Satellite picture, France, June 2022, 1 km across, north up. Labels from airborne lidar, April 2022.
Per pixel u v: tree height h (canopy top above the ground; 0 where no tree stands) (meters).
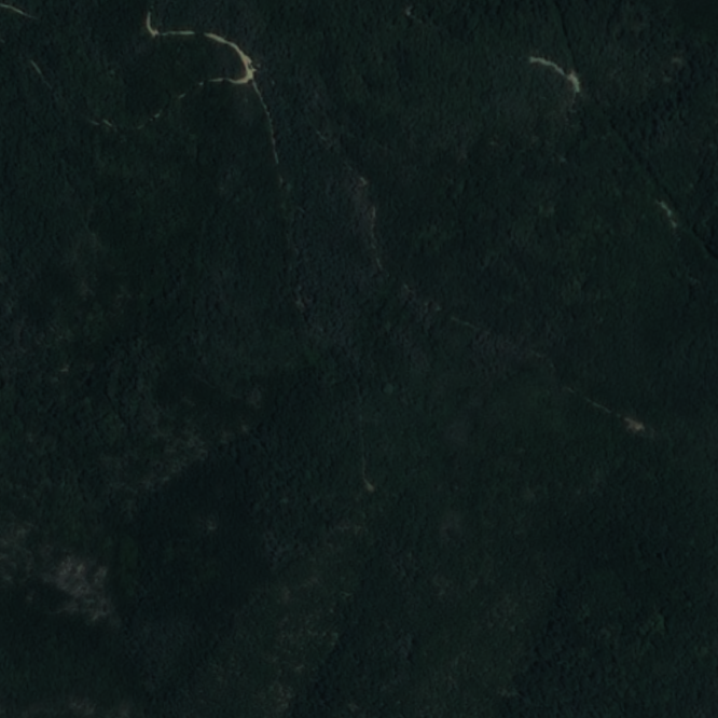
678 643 7
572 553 14
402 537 11
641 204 13
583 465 12
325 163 12
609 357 13
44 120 13
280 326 7
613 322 12
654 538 21
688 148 14
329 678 19
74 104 14
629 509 14
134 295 7
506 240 15
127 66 10
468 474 9
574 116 15
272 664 8
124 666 10
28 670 12
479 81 15
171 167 11
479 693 14
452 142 17
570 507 9
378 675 16
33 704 7
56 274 7
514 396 7
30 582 7
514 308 16
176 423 7
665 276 13
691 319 17
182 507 9
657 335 17
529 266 18
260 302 6
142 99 10
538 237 14
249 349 7
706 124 16
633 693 14
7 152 10
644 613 17
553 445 12
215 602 8
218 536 8
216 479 9
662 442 5
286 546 9
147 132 10
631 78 12
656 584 25
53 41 11
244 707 10
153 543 11
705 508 10
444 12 15
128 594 12
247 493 10
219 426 6
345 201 7
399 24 15
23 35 11
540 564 9
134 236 15
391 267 9
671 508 15
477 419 6
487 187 18
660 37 10
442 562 10
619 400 10
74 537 9
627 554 19
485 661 10
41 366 14
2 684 15
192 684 10
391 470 7
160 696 7
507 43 13
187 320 11
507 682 7
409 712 15
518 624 9
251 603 6
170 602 11
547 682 19
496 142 14
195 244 6
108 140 7
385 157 16
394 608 15
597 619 14
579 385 7
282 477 16
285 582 6
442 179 17
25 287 6
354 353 17
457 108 16
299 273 11
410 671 17
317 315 19
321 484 7
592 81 16
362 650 16
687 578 19
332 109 12
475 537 7
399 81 13
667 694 9
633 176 14
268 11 9
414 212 13
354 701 13
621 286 9
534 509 11
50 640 15
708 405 7
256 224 7
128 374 9
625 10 11
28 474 18
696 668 15
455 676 12
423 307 10
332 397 7
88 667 10
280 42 11
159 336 7
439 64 13
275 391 7
